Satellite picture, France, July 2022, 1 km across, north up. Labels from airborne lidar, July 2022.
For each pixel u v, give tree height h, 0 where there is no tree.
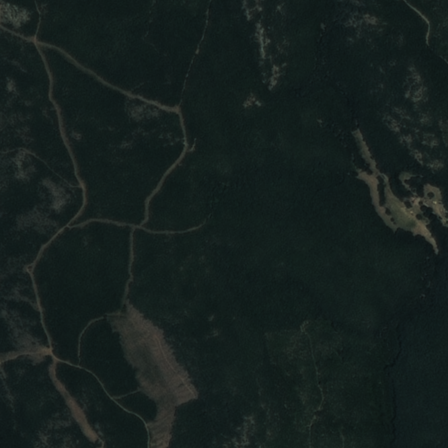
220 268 11
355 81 10
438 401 7
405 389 9
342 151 11
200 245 6
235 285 12
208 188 11
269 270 8
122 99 6
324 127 10
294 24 15
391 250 9
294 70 11
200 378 6
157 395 0
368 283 7
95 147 6
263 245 7
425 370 7
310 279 10
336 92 8
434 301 11
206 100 7
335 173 11
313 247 9
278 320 11
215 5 9
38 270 6
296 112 11
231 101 8
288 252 10
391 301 7
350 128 10
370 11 6
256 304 10
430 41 7
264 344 9
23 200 5
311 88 14
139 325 0
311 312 15
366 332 9
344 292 7
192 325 6
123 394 7
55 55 7
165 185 6
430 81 10
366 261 7
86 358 7
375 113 9
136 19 6
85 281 6
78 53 5
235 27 8
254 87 8
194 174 6
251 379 6
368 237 9
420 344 9
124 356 7
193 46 7
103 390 5
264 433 6
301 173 6
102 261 5
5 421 6
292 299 12
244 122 12
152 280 5
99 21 6
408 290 7
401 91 6
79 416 0
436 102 6
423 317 9
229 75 6
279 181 11
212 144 12
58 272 5
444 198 7
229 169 7
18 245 5
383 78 6
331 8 11
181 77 6
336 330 11
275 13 6
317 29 12
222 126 12
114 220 6
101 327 7
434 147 6
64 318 7
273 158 8
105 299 7
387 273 7
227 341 6
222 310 8
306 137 11
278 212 7
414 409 7
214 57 5
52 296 7
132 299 6
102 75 6
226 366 5
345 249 8
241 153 11
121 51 6
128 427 7
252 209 10
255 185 7
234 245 6
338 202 7
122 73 6
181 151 6
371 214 11
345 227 6
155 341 0
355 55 7
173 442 9
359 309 8
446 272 7
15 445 7
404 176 0
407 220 0
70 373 8
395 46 6
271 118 10
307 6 12
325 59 10
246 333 7
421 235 9
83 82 5
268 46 6
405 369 8
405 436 9
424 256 12
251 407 6
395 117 7
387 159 9
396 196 10
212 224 8
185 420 8
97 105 6
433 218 14
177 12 9
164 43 6
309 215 15
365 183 8
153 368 0
